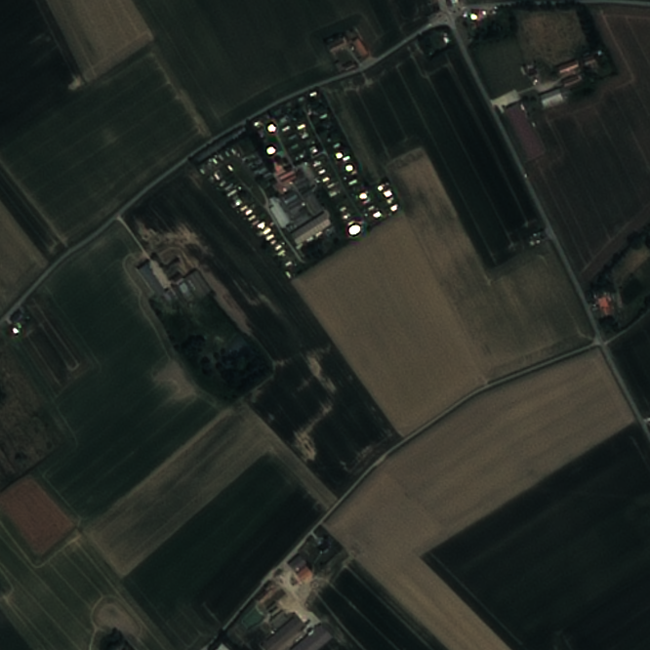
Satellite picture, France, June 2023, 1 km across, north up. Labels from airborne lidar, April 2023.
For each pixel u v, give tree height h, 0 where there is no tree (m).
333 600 0
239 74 0
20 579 0
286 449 0
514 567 0
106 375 0
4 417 0
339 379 0
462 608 0
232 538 0
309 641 0
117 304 0
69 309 0
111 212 0
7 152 0
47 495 0
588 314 0
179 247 0
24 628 0
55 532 0
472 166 0
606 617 0
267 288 0
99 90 0
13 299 0
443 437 0
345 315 0
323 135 13
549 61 0
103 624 0
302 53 0
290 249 0
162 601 0
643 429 0
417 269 0
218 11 0
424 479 0
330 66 0
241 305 0
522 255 0
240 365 13
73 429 0
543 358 0
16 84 0
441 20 0
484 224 0
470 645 0
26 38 0
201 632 0
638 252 0
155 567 0
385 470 0
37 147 0
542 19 0
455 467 0
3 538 0
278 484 0
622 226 0
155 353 0
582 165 0
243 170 0
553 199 0
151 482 0
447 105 0
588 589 0
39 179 0
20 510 0
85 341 0
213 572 0
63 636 0
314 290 0
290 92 0
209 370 14
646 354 0
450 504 0
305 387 0
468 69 0
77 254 0
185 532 0
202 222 0
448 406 0
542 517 0
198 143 0
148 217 0
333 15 0
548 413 0
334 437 0
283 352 0
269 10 0
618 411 0
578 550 0
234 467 0
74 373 0
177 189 0
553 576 0
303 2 0
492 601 0
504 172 0
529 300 0
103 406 0
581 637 0
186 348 13
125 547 0
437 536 0
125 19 0
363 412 0
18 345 0
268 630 0
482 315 0
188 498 0
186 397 0
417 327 0
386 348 0
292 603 0
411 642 0
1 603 0
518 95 0
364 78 0
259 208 0
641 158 0
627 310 0
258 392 0
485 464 0
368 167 0
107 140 0
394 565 0
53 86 0
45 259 0
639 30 0
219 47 0
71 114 0
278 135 0
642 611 0
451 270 0
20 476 0
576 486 0
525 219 0
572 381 0
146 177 0
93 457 0
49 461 0
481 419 0
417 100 0
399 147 0
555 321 0
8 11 0
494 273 0
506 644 0
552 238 0
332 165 0
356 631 0
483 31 7
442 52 8
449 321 0
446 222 0
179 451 0
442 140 0
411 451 0
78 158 0
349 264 0
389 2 0
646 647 0
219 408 0
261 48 0
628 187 0
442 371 0
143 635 0
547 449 0
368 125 0
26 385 0
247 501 0
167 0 0
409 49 0
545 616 0
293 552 0
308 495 0
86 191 0
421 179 0
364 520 0
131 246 0
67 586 0
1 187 0
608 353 0
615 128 0
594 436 0
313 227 0
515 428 0
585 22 13
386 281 0
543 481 0
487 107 0
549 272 0
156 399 0
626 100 0
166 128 0
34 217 0
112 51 0
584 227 0
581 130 0
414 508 0
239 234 0
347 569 0
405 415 0
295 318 0
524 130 0
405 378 0
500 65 0
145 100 0
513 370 0
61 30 0
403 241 0
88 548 0
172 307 0
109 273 0
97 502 0
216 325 0
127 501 0
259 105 0
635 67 0
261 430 0
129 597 0
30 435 0
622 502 0
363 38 0
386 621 0
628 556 0
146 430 0
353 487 0
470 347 0
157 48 0
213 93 0
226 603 0
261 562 0
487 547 0
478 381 0
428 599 0
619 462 0
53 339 0
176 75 0
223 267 0
